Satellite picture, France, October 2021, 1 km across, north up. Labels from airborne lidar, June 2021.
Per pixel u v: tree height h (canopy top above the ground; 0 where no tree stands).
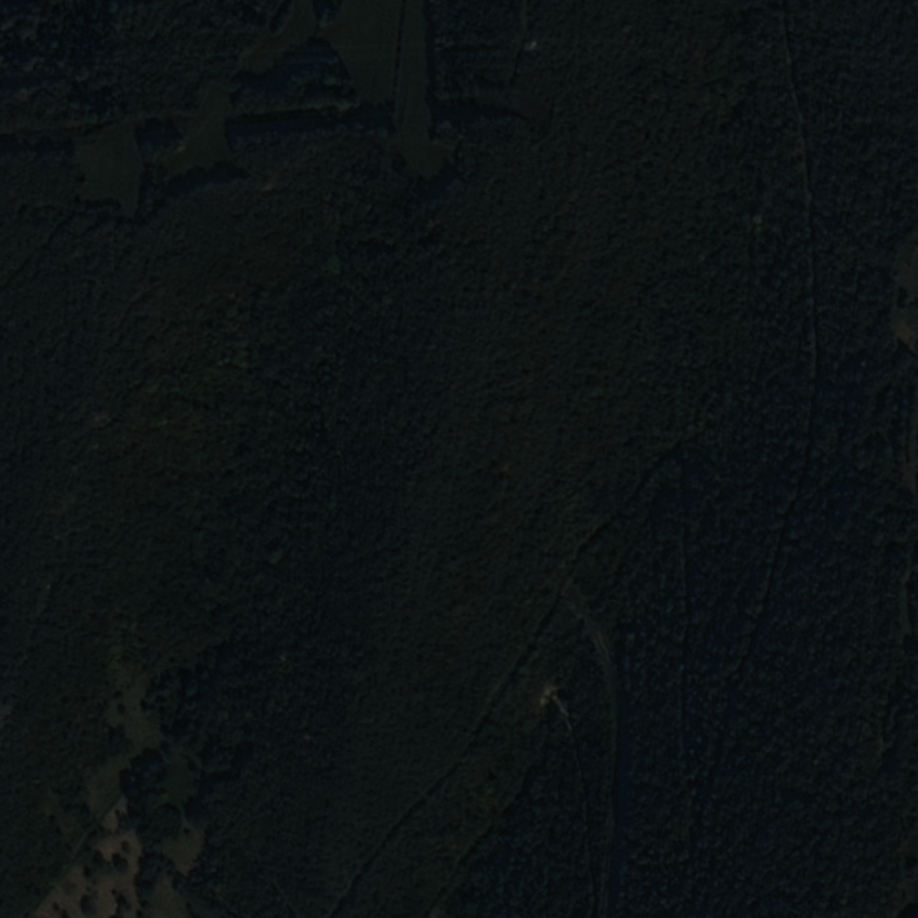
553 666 17
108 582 19
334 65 12
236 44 15
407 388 18
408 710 16
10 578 9
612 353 18
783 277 17
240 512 33
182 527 22
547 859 15
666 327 20
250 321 16
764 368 15
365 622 15
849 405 23
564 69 13
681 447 16
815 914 17
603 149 11
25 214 14
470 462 8
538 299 15
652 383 20
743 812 13
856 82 7
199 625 21
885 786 14
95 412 7
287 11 13
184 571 30
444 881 17
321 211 23
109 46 12
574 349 11
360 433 22
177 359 7
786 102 16
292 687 22
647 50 16
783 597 10
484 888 17
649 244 12
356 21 0
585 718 15
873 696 16
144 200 10
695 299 18
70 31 9
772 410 13
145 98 14
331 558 19
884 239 13
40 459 12
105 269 7
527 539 17
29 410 11
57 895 0
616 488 17
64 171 15
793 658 14
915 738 14
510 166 9
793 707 13
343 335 23
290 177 10
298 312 30
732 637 17
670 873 6
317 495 24
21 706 11
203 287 19
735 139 20
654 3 14
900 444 10
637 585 11
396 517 13
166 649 24
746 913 16
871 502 18
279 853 11
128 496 18
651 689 17
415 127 0
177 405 20
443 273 16
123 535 13
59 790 12
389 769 11
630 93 12
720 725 15
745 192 9
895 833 16
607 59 8
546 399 15
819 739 15
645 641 12
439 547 10
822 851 18
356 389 24
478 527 16
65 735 18
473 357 11
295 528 21
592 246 9
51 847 21
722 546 12
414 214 16
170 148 18
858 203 17
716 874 12
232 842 22
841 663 15
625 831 19
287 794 16
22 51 6
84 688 17
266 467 30
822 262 12
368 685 9
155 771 20
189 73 15
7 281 8
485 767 12
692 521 24
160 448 20
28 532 8
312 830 13
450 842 15
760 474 15
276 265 20
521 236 9
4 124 14
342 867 9
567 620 17
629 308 15
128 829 10
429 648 12
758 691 18
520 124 11
